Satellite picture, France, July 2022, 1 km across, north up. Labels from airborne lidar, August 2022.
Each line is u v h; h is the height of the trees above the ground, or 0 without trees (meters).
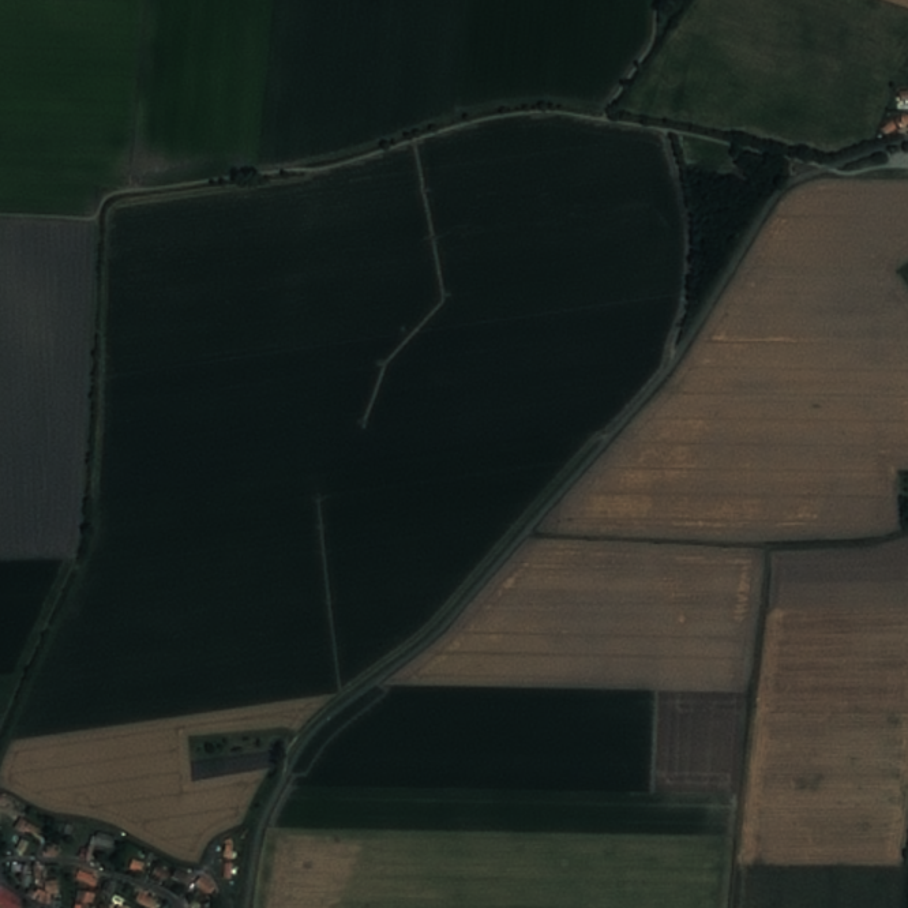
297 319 0
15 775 0
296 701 0
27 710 0
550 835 0
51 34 0
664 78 0
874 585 0
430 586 0
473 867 0
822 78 0
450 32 0
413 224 0
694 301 13
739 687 0
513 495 0
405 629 0
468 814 0
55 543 0
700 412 0
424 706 0
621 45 0
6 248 0
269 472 0
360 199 0
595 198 0
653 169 0
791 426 0
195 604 0
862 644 0
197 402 0
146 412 0
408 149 0
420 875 0
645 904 0
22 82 0
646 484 0
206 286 0
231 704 0
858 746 0
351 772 0
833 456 0
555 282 0
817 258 0
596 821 0
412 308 0
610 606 0
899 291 0
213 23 0
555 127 0
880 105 0
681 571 0
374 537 0
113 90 0
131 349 0
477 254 0
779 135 0
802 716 0
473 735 0
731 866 0
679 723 0
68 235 0
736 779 0
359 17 0
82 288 0
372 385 0
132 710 0
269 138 0
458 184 0
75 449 0
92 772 0
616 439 0
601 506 0
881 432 0
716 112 0
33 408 0
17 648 0
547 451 0
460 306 0
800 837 0
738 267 0
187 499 0
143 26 0
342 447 0
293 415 0
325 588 0
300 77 0
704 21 0
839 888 0
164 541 0
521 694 0
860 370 0
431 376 0
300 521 0
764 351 0
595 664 0
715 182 11
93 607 0
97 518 0
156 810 0
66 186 0
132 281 0
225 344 0
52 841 10
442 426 0
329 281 0
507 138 0
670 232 0
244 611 0
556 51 0
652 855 0
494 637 0
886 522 0
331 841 0
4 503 0
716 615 0
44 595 0
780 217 0
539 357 0
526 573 0
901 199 0
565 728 0
